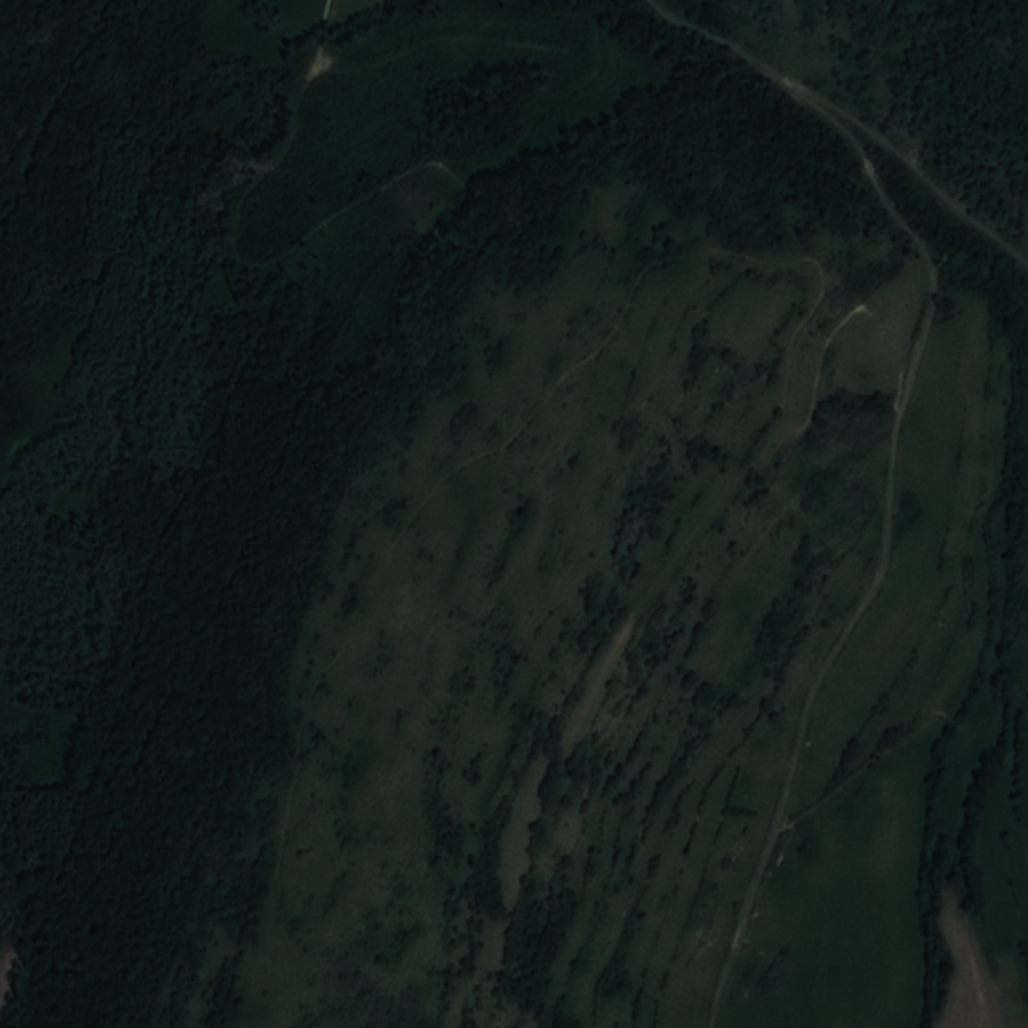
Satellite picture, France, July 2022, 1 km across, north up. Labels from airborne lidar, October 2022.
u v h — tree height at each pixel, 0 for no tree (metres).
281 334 25
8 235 16
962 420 0
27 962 20
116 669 28
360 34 23
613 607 11
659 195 8
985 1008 0
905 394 0
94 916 24
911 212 16
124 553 16
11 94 18
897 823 0
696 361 7
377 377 23
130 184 21
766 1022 0
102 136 20
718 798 0
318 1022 7
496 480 0
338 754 7
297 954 0
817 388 0
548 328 0
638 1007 7
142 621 21
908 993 0
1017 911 0
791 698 0
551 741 9
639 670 6
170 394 13
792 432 0
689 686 10
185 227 17
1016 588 6
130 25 14
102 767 25
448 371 8
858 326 0
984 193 10
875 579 0
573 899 8
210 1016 8
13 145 20
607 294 0
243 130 8
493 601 0
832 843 0
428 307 8
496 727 0
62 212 11
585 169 15
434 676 0
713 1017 0
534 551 0
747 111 16
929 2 7
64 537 12
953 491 0
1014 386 7
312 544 11
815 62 0
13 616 14
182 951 14
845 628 0
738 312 0
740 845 0
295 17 0
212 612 20
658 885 0
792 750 0
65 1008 30
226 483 28
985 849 0
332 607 0
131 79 7
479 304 0
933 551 0
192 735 23
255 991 0
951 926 0
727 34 16
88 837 27
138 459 17
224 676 24
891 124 11
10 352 21
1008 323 20
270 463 27
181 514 17
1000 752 19
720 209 7
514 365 0
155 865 22
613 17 18
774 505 0
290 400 20
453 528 0
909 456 0
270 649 12
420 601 0
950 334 0
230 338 19
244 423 30
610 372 0
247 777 11
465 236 23
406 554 0
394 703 0
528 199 14
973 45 9
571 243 0
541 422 0
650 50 22
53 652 24
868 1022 0
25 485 10
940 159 11
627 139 13
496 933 0
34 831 23
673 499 12
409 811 0
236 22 0
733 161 10
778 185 7
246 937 11
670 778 10
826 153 18
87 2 13
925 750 0
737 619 0
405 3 10
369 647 0
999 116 10
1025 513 9
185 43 17
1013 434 10
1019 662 0
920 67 22
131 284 16
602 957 0
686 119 10
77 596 15
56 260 11
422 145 9
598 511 0
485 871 6
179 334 26
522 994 10
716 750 0
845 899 0
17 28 15
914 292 0
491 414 0
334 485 9
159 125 9
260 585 16
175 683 23
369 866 0
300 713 7
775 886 0
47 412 0
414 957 0
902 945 0
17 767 17
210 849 11
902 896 0
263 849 8
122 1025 14
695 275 0
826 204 9
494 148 9
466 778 10
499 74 31
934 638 0
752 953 0
